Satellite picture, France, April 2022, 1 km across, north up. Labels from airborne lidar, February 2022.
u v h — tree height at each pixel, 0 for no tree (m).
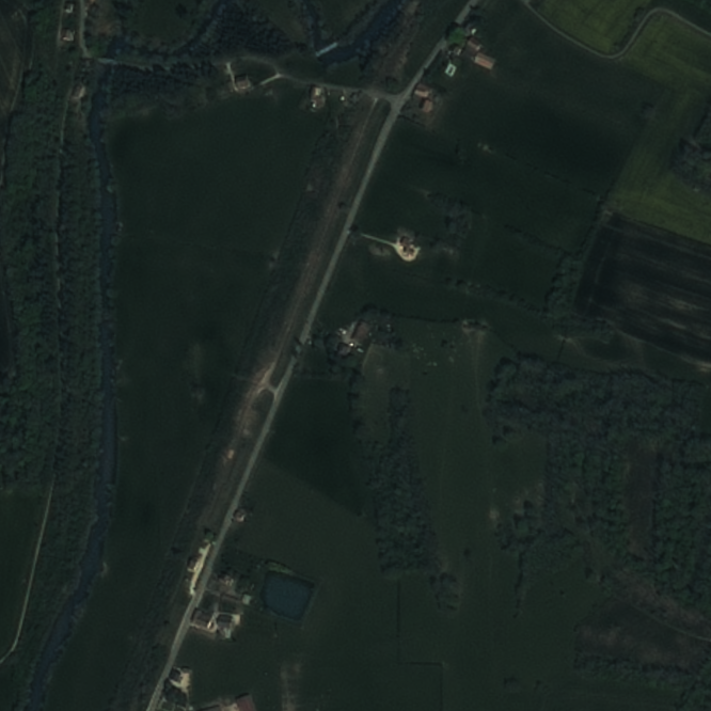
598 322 6
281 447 0
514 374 25
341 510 0
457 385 0
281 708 0
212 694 0
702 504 18
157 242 0
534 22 0
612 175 0
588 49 0
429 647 0
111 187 11
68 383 16
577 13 0
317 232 0
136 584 0
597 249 0
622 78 0
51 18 18
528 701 0
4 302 0
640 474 0
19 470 26
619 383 22
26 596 0
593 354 0
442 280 0
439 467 0
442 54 5
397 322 9
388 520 23
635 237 0
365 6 0
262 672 0
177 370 0
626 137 0
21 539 0
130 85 12
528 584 15
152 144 0
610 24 0
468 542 0
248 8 15
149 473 0
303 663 0
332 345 18
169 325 0
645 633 0
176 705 14
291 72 15
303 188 0
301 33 0
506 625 0
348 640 0
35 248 21
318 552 0
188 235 0
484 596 0
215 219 0
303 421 0
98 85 15
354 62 0
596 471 25
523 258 0
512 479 0
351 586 0
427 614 0
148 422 0
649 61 0
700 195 0
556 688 0
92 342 8
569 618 0
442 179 0
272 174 0
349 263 0
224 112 0
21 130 25
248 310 0
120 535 0
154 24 0
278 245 0
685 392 11
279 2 0
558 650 0
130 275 0
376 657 0
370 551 0
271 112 0
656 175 0
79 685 0
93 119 0
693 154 27
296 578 0
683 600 27
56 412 19
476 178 0
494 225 0
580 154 0
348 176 0
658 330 0
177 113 17
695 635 0
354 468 0
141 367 0
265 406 0
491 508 0
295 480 0
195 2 0
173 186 0
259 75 0
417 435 0
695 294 0
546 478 0
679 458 0
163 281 0
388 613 0
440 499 0
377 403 0
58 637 0
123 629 0
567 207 0
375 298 0
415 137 0
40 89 21
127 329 0
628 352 0
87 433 7
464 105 0
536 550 24
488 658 0
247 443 0
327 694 0
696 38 0
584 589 0
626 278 0
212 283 0
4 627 0
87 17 0
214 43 19
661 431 31
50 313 29
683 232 0
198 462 0
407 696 0
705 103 0
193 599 0
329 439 0
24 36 0
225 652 0
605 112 0
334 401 0
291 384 0
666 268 0
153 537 0
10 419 23
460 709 0
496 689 0
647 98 0
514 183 0
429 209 0
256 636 0
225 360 0
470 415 14
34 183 24
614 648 0
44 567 11
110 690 0
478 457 0
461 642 0
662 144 0
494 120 0
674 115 0
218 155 0
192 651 0
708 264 0
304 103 0
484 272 0
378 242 0
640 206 0
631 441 29
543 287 0
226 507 0
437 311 0
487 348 0
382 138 0
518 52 0
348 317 0
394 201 0
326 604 0
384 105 0
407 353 16
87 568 0
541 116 0
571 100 0
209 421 0
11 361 0
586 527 23
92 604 0
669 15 0
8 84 0
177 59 11
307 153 0
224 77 0
